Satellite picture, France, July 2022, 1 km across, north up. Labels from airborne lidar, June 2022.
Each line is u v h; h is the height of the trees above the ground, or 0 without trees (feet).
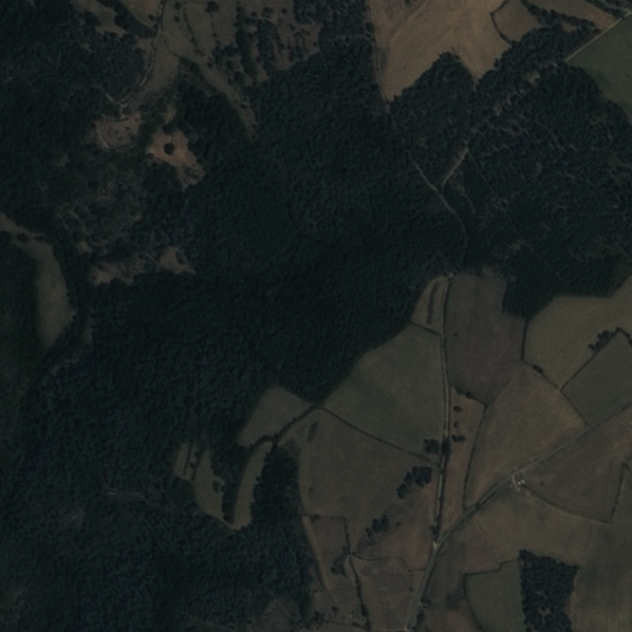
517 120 53
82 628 66
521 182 72
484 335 0
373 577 0
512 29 0
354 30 55
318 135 43
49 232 44
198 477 0
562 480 0
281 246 74
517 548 0
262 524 76
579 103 68
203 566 56
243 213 75
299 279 66
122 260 40
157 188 37
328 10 53
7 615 30
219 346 49
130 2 0
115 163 34
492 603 0
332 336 46
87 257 50
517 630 0
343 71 59
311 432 0
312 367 47
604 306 0
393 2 0
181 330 73
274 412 0
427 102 54
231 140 57
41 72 29
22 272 50
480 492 0
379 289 35
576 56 0
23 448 44
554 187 63
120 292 76
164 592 43
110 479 43
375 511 0
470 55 0
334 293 42
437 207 0
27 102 40
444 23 0
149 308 54
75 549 22
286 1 0
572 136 73
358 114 22
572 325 0
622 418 0
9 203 55
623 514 0
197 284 62
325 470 0
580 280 34
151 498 51
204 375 55
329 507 0
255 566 27
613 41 0
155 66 0
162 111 19
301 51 45
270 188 26
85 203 23
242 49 52
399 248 47
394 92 0
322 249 89
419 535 0
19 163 39
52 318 0
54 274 0
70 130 27
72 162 26
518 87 47
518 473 0
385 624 0
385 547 0
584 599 0
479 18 0
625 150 63
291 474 30
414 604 0
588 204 65
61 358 41
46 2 64
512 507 0
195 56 0
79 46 57
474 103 66
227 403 71
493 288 0
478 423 0
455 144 55
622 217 74
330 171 26
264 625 0
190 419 46
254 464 0
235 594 63
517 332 0
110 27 0
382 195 46
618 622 0
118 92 55
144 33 46
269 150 26
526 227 39
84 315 37
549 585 58
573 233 71
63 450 44
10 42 31
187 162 0
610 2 38
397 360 0
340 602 0
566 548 0
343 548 18
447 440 22
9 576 36
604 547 0
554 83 22
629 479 0
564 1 0
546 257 30
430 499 0
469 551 0
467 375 0
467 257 33
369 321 49
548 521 0
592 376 0
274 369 46
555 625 55
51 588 57
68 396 56
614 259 30
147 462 56
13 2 60
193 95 45
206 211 22
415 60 0
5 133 44
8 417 37
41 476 31
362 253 55
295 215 41
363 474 0
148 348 57
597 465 0
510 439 0
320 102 42
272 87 50
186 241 73
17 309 50
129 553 39
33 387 40
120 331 50
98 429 44
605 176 83
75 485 34
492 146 60
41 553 50
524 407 0
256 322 49
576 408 0
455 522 0
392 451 0
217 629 0
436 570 0
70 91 24
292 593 58
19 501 46
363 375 0
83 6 0
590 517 0
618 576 0
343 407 0
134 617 50
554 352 0
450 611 0
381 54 0
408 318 43
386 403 0
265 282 42
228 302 73
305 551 47
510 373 0
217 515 0
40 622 66
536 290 43
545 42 47
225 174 49
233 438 31
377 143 22
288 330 48
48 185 44
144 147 56
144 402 45
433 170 31
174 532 55
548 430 0
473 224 25
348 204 48
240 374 30
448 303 0
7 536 66
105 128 0
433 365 0
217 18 0
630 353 0
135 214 43
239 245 35
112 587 37
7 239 72
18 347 29
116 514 29
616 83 0
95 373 66
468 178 33
